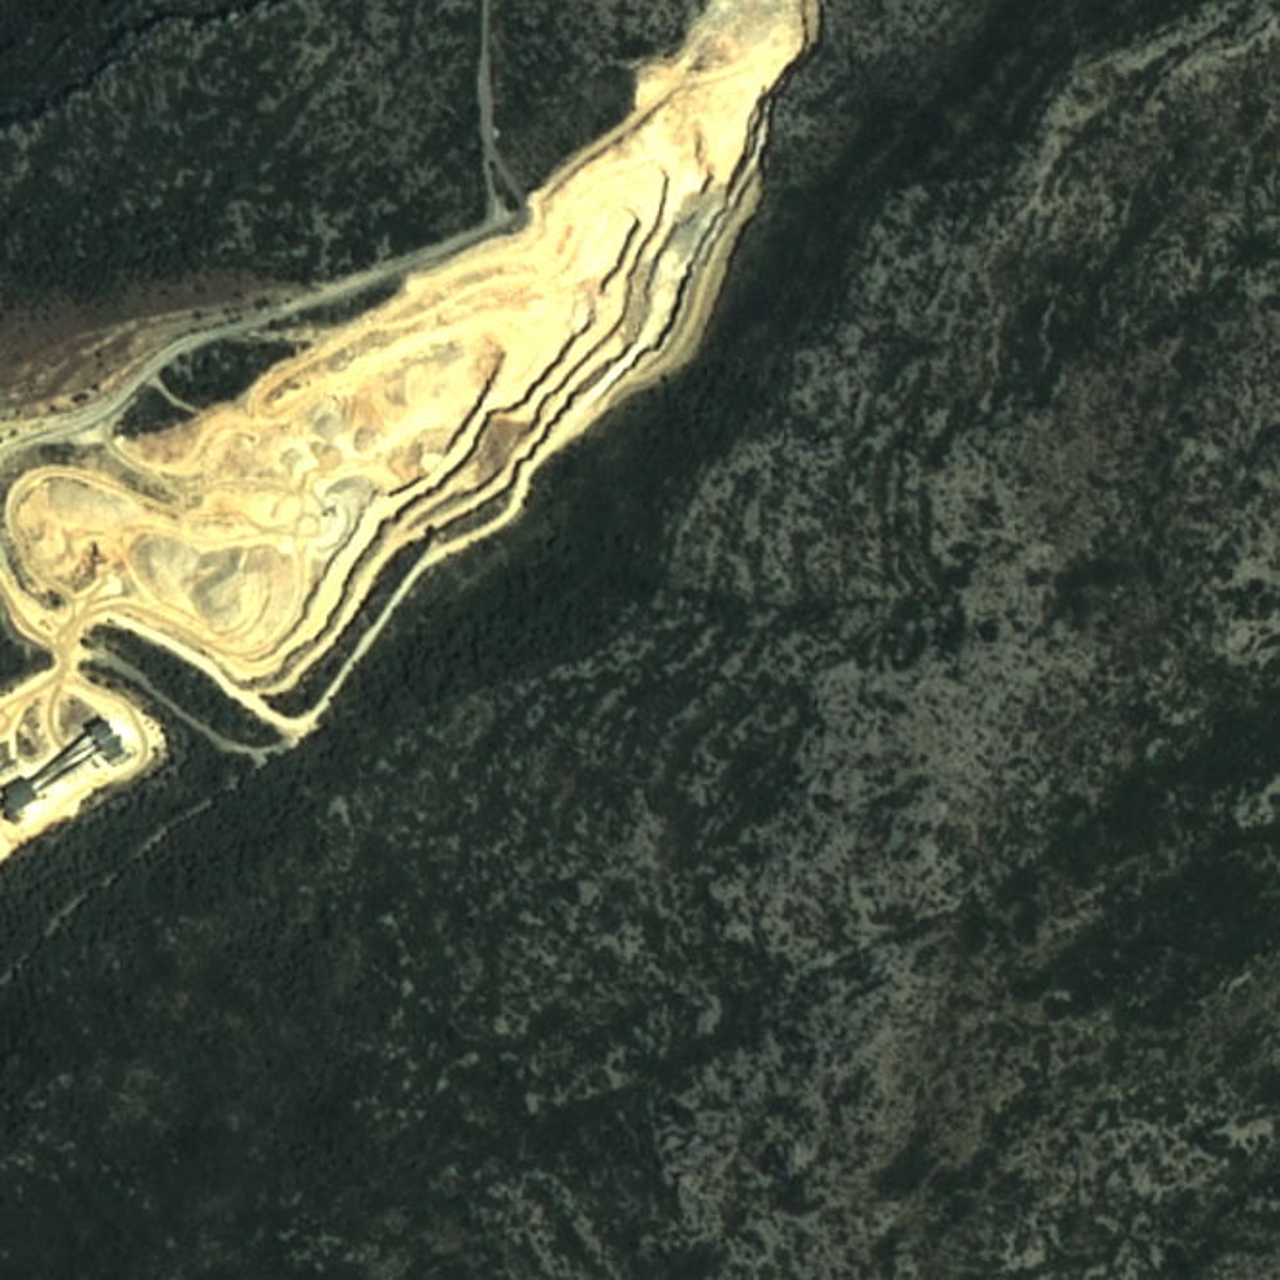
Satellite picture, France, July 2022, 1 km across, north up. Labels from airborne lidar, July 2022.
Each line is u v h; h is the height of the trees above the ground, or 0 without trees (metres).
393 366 0
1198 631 0
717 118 0
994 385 0
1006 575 0
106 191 7
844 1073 0
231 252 10
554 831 0
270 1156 0
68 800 0
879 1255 0
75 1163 0
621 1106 0
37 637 0
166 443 0
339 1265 0
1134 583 0
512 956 0
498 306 0
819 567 0
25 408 0
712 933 0
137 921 8
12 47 11
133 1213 0
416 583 0
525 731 0
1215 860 0
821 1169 0
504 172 0
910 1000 0
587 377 0
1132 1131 0
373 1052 0
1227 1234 0
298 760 8
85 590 0
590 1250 0
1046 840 0
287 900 6
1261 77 0
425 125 0
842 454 0
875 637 0
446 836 0
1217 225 0
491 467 0
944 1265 0
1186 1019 0
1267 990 0
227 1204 0
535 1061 0
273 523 0
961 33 0
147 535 0
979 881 0
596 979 0
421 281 0
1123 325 0
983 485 0
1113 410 0
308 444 0
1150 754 0
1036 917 0
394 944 0
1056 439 0
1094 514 0
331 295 0
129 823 8
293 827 10
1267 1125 0
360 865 0
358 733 10
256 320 0
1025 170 0
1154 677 0
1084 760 0
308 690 9
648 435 8
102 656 0
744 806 0
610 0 0
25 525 0
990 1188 0
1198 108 0
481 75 0
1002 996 0
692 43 0
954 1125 0
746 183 0
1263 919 0
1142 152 0
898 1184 0
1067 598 0
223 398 6
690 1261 0
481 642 9
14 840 0
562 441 0
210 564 0
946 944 0
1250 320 0
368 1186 6
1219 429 0
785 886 0
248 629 0
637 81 0
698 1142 0
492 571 0
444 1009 0
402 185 0
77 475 0
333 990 0
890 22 0
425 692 8
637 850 0
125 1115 0
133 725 0
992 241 0
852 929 0
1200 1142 6
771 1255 0
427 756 0
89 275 8
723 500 0
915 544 0
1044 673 0
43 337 0
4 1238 0
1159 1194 0
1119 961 0
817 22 0
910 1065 0
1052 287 0
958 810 0
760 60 0
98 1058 0
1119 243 0
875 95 0
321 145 0
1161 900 0
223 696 9
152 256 9
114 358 0
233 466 0
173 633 0
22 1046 7
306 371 0
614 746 0
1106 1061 0
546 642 7
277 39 0
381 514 0
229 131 0
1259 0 0
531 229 0
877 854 0
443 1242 0
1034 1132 0
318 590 0
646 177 0
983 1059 0
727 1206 0
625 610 0
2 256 8
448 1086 0
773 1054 0
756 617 0
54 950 10
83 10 8
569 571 7
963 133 0
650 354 0
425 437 0
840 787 0
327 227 0
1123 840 0
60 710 0
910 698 0
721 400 9
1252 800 0
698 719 0
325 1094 5
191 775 11
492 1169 0
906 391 0
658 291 0
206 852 9
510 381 0
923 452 0
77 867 9
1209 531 0
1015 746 0
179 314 0
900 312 0
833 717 0
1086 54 0
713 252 0
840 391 0
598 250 0
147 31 9
